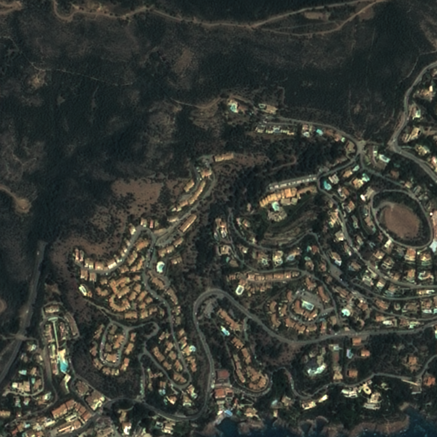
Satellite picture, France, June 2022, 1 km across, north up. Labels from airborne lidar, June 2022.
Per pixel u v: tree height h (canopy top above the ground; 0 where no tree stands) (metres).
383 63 8
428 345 7
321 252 6
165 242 0
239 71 8
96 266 0
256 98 8
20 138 8
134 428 8
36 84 0
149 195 0
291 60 8
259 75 7
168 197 7
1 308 0
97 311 8
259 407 10
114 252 10
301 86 7
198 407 5
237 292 0
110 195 7
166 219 8
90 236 8
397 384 13
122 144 10
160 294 9
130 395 8
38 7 7
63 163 8
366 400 8
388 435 0
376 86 6
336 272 0
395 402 10
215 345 14
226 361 8
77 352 7
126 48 0
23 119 9
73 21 0
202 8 7
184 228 0
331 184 6
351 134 6
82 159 8
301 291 0
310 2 12
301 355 10
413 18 6
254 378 0
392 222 0
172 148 7
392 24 10
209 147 8
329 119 6
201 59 6
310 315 0
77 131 7
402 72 7
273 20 0
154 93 6
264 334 9
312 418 6
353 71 7
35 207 8
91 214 7
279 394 6
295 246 6
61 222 7
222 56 8
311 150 12
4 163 0
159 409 9
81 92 9
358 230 8
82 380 6
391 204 0
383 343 7
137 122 11
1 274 7
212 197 9
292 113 8
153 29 8
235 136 7
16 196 0
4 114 7
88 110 8
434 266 9
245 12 8
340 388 13
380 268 6
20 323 8
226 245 7
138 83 8
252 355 9
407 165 6
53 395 7
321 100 7
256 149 11
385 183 6
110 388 9
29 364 9
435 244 0
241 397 8
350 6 8
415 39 8
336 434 0
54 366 0
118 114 8
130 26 0
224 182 9
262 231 9
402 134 6
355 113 6
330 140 9
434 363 7
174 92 10
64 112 10
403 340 9
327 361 7
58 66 6
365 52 7
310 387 6
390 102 11
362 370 8
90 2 0
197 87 7
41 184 11
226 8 6
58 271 8
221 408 0
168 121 0
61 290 10
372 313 10
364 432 0
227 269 8
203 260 19
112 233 8
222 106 12
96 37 0
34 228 9
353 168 7
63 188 8
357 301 7
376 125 8
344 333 0
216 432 0
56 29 0
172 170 8
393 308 10
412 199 6
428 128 13
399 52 9
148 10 7
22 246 9
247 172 17
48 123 11
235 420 0
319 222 8
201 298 0
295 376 9
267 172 7
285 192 0
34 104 6
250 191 12
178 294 10
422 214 14
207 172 0
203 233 15
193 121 7
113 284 0
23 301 7
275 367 10
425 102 14
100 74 7
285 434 0
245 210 7
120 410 11
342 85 6
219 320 5
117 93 6
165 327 10
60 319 8
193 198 0
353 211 8
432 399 18
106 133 9
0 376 0
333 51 0
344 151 8
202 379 8
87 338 6
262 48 7
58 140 7
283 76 7
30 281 7
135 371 8
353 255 7
